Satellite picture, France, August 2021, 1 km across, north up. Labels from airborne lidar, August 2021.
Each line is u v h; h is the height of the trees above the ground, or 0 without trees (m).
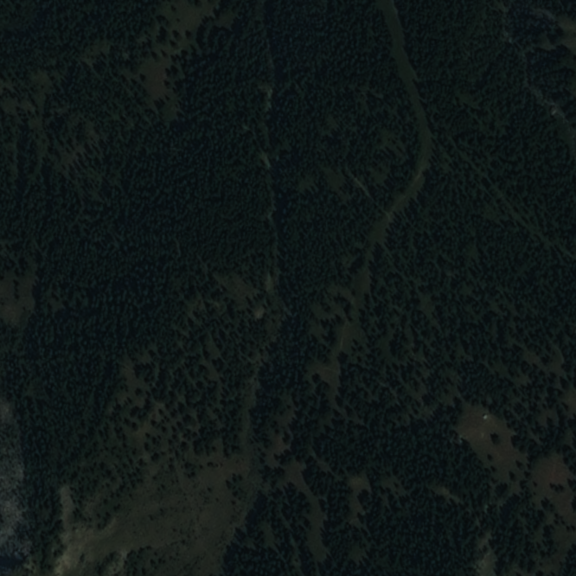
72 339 18
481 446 0
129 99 26
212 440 17
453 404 0
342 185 0
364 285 0
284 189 28
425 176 0
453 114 24
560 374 0
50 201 9
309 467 17
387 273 23
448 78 24
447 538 17
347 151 30
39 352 17
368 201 27
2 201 23
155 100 0
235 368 26
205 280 24
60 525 14
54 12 15
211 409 20
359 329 0
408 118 22
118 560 6
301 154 25
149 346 23
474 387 23
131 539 0
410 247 23
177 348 20
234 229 22
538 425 14
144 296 24
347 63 19
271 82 15
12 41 23
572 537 0
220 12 12
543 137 22
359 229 22
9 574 0
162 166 23
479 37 9
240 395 10
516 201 25
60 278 20
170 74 20
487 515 16
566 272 23
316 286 22
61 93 26
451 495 7
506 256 26
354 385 16
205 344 28
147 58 25
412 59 22
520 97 19
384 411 19
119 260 20
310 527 16
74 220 21
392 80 19
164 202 15
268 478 13
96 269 19
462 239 28
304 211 26
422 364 0
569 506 0
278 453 0
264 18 6
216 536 0
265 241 22
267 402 10
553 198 12
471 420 0
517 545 23
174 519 0
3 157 22
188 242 13
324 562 0
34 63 25
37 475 6
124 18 17
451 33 24
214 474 0
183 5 0
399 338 13
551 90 16
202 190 17
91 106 23
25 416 19
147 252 16
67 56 15
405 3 21
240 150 19
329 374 0
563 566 10
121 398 0
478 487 16
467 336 26
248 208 23
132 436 0
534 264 29
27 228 21
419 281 25
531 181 17
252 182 24
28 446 7
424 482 17
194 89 23
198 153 22
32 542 9
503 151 15
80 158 0
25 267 19
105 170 26
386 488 0
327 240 25
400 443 12
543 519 20
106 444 14
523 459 0
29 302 0
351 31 18
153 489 0
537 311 27
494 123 8
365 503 18
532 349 19
